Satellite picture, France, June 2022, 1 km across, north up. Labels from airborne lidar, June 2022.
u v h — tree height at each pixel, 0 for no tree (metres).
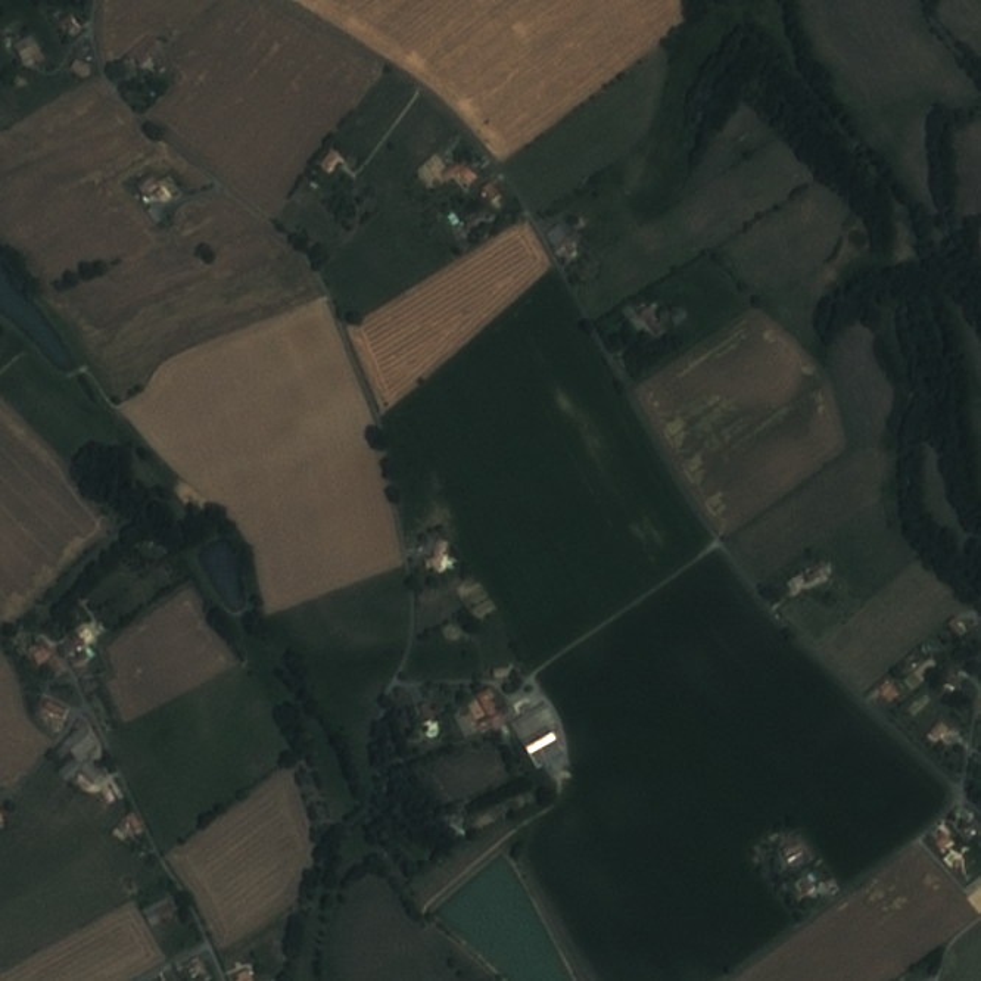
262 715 0
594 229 0
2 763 0
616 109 0
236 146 0
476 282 0
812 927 0
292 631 0
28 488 0
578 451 0
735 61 20
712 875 0
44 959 0
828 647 0
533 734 0
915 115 0
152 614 0
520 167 0
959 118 16
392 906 0
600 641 0
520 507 0
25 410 0
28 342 0
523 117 0
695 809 0
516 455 0
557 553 0
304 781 11
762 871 10
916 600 0
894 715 6
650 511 0
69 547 0
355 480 0
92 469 26
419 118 0
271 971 0
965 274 20
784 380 0
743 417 0
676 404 0
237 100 0
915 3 0
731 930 0
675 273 9
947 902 0
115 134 0
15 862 0
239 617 0
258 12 0
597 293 0
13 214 0
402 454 0
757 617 0
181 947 7
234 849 0
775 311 0
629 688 0
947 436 24
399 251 0
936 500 0
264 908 0
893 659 0
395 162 0
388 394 0
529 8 0
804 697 0
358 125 0
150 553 0
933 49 0
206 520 16
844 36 0
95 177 0
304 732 20
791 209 0
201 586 6
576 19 0
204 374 0
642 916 0
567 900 0
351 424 0
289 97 0
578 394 0
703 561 0
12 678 0
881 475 0
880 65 0
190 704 0
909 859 0
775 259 0
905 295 20
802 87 23
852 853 0
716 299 0
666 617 0
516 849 10
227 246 0
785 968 0
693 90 10
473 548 0
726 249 0
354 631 0
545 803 13
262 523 0
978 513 22
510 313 0
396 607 0
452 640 0
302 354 0
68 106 0
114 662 0
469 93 0
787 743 0
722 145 0
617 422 0
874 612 0
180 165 0
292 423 0
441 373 0
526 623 0
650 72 0
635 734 0
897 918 0
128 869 0
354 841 0
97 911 0
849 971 0
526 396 0
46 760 7
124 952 0
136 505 26
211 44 0
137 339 0
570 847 0
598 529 0
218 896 0
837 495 0
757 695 0
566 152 0
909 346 16
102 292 0
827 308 13
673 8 0
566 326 0
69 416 0
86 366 0
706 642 0
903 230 0
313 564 0
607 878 0
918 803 0
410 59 0
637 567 0
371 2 0
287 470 0
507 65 0
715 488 0
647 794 0
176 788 0
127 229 0
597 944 0
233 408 0
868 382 0
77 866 0
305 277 0
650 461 0
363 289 0
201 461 0
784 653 0
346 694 0
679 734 0
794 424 0
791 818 10
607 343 7
